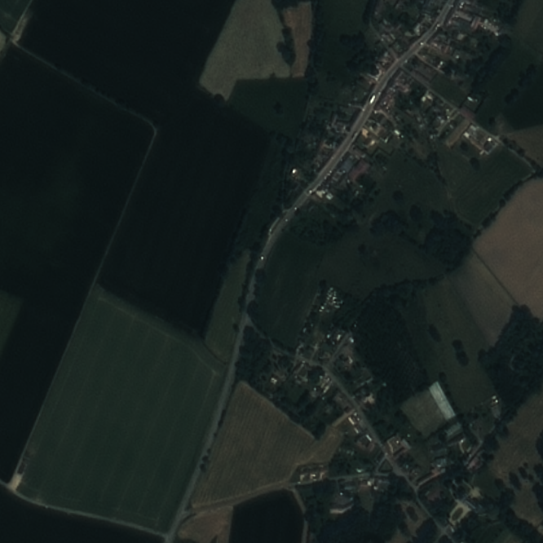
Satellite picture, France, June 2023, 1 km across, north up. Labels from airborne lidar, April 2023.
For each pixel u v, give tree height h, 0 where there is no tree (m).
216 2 0
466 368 0
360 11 0
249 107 0
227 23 0
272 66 0
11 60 0
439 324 0
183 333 0
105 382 0
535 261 0
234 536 0
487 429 0
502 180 0
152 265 0
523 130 0
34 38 0
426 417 0
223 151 0
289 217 0
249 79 0
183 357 0
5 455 0
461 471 19
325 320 0
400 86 0
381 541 0
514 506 0
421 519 0
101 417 0
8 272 0
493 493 0
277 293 0
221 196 0
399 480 13
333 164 0
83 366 0
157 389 0
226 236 0
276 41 0
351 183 6
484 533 0
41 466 0
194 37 0
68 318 0
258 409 0
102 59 0
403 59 0
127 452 0
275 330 0
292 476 0
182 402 0
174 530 0
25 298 0
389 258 0
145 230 0
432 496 0
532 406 0
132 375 0
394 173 0
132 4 0
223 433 0
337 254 0
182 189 0
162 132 0
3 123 0
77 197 0
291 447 0
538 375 22
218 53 0
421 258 0
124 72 0
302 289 0
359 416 0
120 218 0
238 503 0
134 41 0
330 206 7
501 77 0
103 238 0
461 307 0
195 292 0
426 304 0
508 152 0
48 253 0
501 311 0
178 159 0
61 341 0
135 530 0
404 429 0
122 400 0
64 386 0
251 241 0
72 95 0
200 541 0
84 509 0
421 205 0
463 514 0
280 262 0
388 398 19
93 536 0
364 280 0
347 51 0
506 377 18
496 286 0
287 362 12
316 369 9
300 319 0
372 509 0
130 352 0
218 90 0
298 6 0
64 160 0
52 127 0
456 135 0
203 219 0
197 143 0
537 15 0
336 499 0
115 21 0
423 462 0
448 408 0
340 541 27
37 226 0
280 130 0
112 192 0
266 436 0
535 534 22
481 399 0
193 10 0
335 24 0
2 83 0
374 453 0
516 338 15
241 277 0
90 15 0
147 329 0
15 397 0
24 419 0
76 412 0
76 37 0
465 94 0
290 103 0
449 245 19
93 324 0
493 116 0
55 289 0
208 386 0
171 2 0
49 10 0
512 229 0
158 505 0
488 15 0
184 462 0
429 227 0
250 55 0
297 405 9
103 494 0
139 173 0
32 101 0
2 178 0
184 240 0
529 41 0
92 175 0
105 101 0
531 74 16
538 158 0
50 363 0
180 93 0
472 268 0
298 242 0
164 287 0
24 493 0
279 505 0
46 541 0
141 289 0
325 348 0
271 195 0
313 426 0
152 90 0
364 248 13
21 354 0
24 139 0
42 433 0
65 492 0
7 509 0
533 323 17
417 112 0
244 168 0
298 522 0
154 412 0
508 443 0
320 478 0
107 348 0
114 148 0
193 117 0
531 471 0
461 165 0
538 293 0
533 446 0
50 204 0
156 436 0
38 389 0
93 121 0
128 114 0
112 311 0
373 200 10
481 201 0
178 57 0
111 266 0
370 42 0
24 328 0
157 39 0
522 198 0
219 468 0
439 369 0
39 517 0
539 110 0
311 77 17
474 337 0
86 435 0
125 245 0
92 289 0
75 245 0
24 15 0
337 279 0
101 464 0
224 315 0
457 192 0
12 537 0
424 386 6
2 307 0
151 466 0
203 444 0
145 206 0
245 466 0
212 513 0
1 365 0
